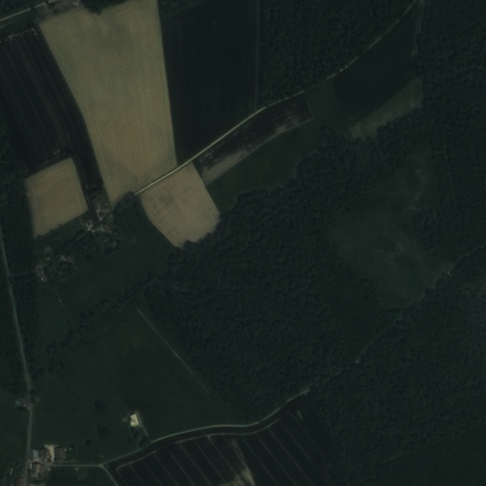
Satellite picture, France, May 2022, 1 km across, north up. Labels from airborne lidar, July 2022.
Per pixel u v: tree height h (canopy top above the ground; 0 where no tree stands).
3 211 22
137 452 0
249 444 0
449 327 17
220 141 0
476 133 18
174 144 0
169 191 0
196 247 21
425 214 16
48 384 0
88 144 0
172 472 0
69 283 0
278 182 0
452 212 14
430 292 19
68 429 0
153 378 0
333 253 10
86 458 0
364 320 9
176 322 28
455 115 12
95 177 0
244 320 16
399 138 24
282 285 26
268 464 0
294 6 22
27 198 13
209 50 0
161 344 0
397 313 23
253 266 15
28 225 15
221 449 0
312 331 27
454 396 24
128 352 0
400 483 10
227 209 0
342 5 27
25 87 0
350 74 0
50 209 0
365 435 19
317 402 20
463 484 9
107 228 0
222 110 0
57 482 0
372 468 8
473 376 17
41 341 0
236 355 18
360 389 29
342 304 8
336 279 7
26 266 15
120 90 0
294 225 26
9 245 21
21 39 0
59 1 0
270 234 20
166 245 22
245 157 0
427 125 23
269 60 18
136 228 0
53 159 0
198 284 23
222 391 20
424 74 19
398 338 23
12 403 0
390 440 26
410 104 0
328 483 0
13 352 16
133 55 0
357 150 24
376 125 0
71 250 15
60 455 0
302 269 27
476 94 31
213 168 0
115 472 0
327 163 14
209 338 27
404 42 0
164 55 0
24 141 0
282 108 0
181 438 0
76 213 0
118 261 0
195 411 0
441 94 29
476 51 16
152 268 0
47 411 0
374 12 26
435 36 25
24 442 0
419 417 21
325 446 0
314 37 23
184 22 0
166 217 0
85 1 23
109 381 0
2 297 18
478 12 29
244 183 0
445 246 7
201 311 19
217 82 0
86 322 8
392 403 26
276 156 0
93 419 0
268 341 24
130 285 0
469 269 18
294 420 0
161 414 0
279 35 20
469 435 9
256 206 8
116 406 0
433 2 18
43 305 0
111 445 0
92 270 0
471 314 16
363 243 0
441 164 18
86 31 0
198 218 0
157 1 0
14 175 22
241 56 0
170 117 0
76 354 0
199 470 0
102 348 0
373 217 0
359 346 7
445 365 23
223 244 26
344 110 0
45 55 0
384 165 20
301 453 0
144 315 0
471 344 9
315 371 26
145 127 0
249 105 0
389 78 0
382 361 22
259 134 0
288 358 14
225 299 26
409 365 22
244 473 0
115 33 0
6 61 0
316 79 19
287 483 0
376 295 14
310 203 29
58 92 0
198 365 21
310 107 0
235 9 0
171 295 29
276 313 28
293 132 0
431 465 9
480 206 18
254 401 17
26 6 28
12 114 0
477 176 19
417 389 19
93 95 0
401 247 0
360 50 21
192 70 0
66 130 0
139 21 0
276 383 7
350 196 17
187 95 0
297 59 29
